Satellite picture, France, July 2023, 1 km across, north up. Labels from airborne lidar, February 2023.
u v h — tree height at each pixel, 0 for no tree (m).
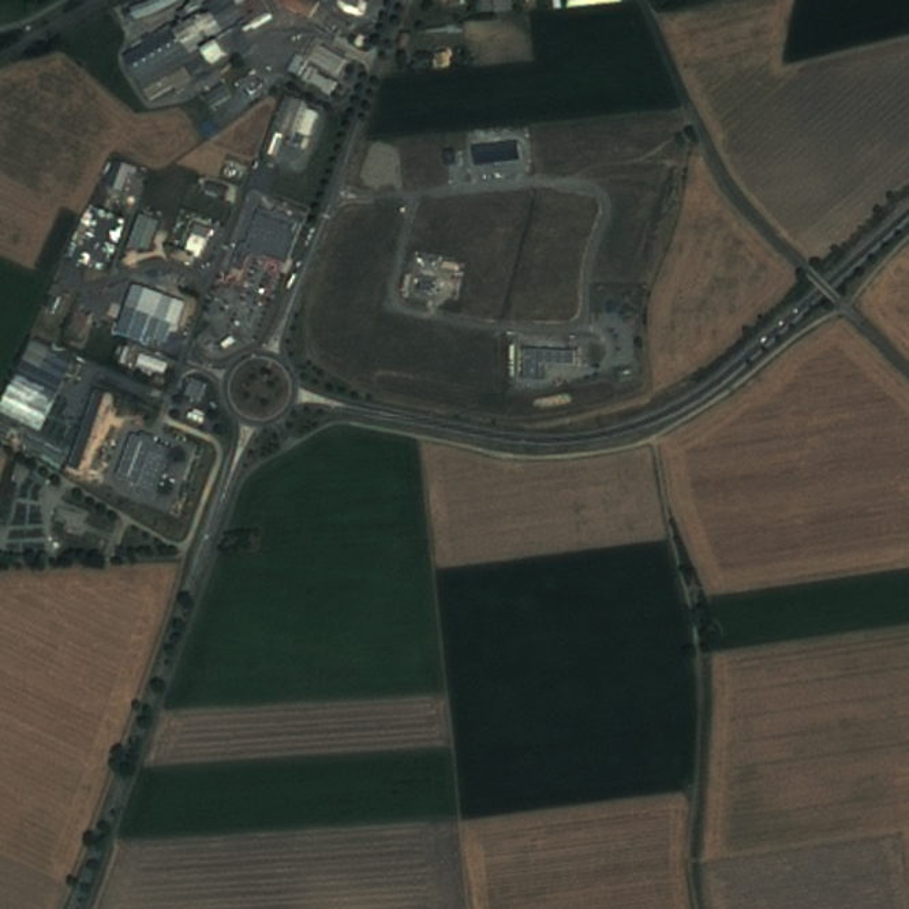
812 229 0
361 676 0
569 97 0
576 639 0
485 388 0
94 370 0
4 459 0
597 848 0
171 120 0
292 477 0
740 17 0
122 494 0
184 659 0
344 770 0
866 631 0
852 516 0
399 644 0
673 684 0
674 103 0
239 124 0
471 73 0
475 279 0
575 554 0
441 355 0
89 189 0
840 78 0
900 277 0
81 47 0
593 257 0
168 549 12
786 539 0
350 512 0
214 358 0
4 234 0
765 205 0
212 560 0
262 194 0
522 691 0
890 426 0
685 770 0
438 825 0
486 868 0
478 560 0
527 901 0
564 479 0
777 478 0
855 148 0
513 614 0
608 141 0
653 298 0
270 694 0
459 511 0
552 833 0
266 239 0
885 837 0
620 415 0
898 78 0
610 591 0
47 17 0
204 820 0
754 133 0
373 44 9
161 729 0
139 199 0
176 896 0
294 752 0
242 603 0
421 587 0
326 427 0
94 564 17
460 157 0
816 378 0
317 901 0
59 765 0
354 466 0
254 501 0
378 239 0
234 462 0
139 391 0
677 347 0
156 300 0
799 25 0
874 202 0
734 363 0
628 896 0
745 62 0
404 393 0
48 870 0
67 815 0
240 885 0
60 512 0
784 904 0
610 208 0
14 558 14
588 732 0
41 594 0
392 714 0
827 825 0
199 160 0
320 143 0
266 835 0
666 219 0
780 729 0
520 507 0
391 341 0
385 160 0
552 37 0
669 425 0
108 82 0
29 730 0
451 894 0
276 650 0
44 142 0
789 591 0
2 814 0
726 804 0
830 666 0
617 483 0
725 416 0
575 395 0
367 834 0
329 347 0
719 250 0
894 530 0
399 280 0
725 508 0
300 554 0
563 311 0
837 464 0
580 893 0
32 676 0
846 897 0
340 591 0
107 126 0
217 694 0
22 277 0
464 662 0
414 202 0
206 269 0
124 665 0
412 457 0
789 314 0
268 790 0
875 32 0
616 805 0
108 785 0
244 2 0
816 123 0
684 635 0
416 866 0
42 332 0
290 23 0
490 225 0
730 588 0
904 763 0
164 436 0
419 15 0
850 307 0
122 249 0
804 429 0
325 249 0
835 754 0
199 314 0
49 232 0
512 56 0
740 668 0
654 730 0
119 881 0
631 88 0
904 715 0
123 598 0
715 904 0
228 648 0
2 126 0
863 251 0
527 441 0
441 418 0
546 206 0
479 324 0
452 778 0
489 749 0
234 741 0
